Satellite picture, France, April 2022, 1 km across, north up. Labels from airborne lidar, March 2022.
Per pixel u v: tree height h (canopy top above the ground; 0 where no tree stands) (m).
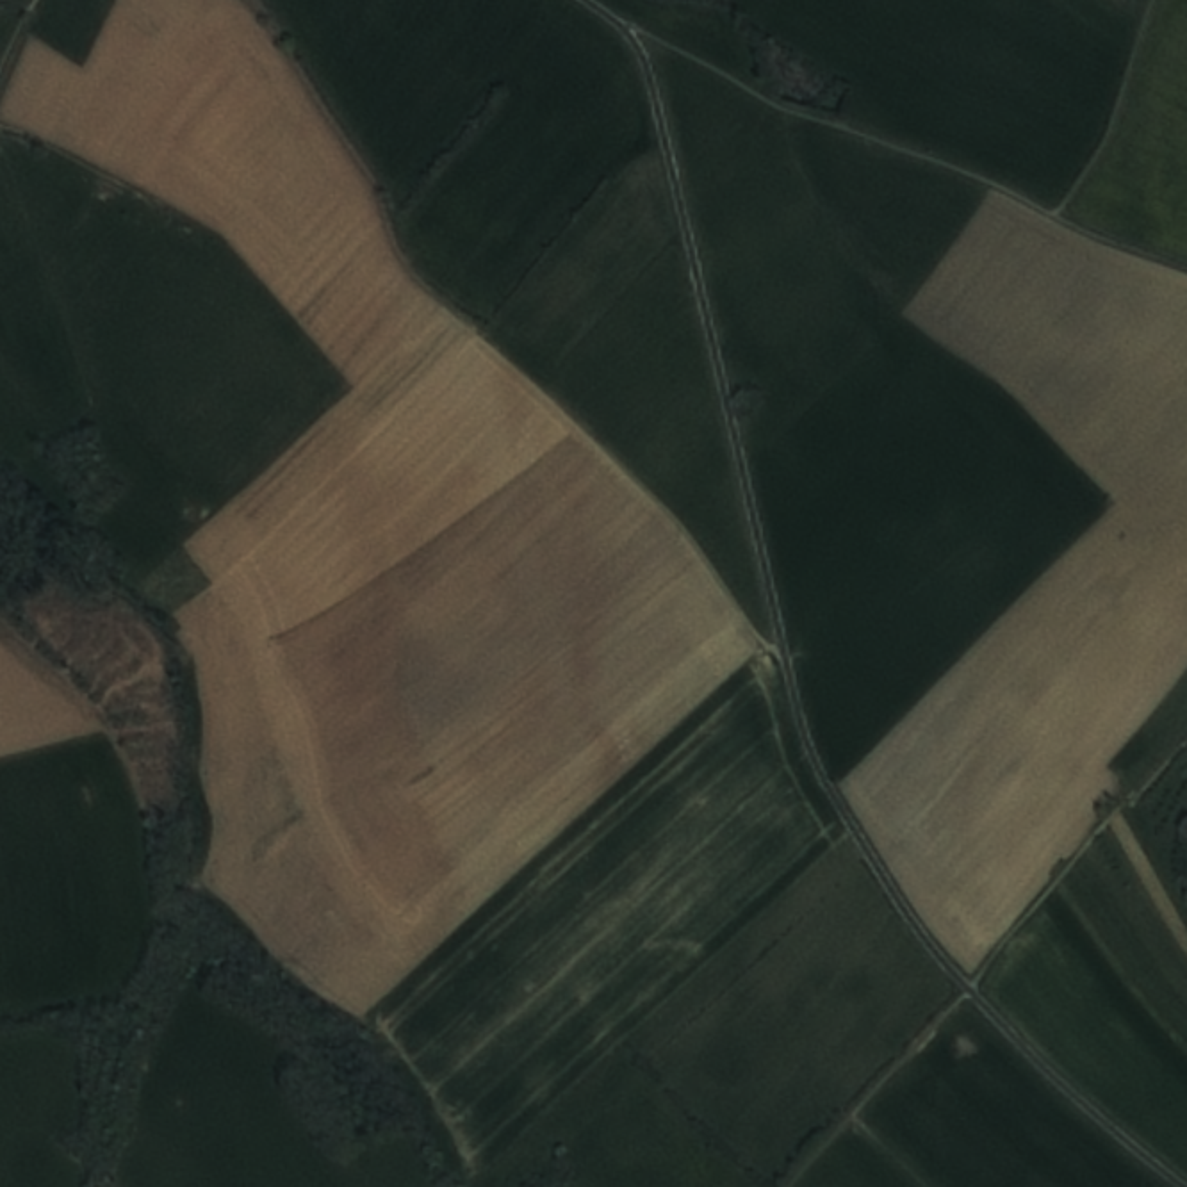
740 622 0
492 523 0
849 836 0
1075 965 0
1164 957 0
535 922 0
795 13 0
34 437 0
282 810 0
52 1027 12
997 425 0
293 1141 0
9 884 0
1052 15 0
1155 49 0
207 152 0
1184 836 8
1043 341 0
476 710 0
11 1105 0
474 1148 0
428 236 0
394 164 0
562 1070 0
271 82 0
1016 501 0
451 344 0
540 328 0
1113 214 0
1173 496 0
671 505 0
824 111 15
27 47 0
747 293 0
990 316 0
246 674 0
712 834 0
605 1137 0
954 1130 0
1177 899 0
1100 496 0
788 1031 0
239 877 0
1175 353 0
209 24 0
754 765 0
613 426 0
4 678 0
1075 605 0
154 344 0
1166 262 0
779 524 0
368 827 0
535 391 0
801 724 0
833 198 0
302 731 0
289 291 0
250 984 19
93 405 0
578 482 0
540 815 0
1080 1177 0
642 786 0
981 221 0
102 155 0
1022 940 0
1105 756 0
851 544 0
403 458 0
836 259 0
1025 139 0
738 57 0
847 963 0
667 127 0
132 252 0
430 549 0
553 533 0
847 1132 0
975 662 0
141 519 0
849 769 0
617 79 0
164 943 19
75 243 0
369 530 0
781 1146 0
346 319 0
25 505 19
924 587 0
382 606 0
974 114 0
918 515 0
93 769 0
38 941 0
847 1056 0
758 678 0
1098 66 0
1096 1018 0
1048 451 0
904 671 0
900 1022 0
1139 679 0
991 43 0
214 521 0
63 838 0
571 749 0
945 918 0
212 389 0
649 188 0
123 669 0
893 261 0
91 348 0
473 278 0
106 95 0
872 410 0
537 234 0
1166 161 0
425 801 0
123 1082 19
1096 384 0
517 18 0
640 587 0
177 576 0
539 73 0
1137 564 0
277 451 0
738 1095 0
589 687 0
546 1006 0
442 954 0
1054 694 0
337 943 0
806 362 0
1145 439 0
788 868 0
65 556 24
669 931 0
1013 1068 0
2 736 0
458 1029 0
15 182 0
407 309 0
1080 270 0
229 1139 0
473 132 7
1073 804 0
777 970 0
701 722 0
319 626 0
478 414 0
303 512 0
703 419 0
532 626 0
